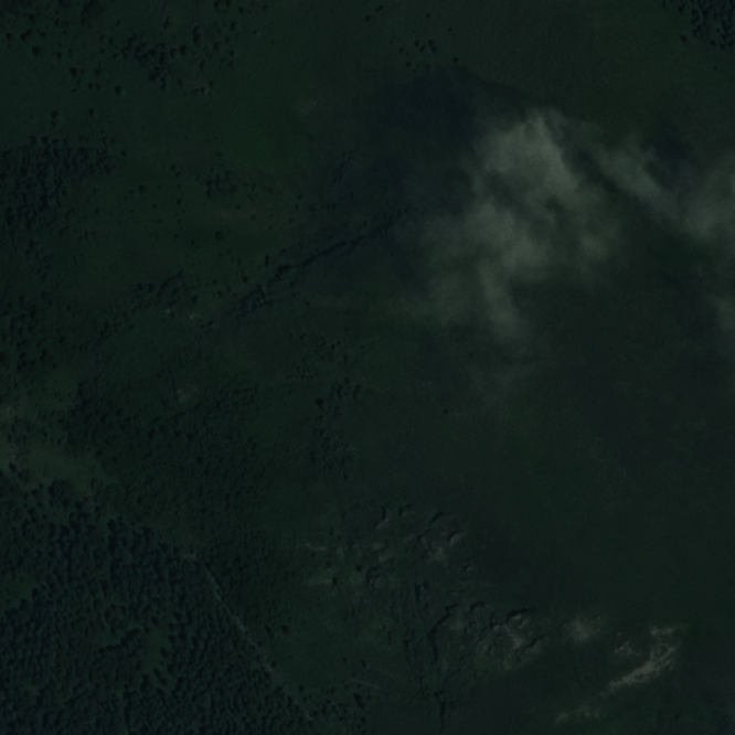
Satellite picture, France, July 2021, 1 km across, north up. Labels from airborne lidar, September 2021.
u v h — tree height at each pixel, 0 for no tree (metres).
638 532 0
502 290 0
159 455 10
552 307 0
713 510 0
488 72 0
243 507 6
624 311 0
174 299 7
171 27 8
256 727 15
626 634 0
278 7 0
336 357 6
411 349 0
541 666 0
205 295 0
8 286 7
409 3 0
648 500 0
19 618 28
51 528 14
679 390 0
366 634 0
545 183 0
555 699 0
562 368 0
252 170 0
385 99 0
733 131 0
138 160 0
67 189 17
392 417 0
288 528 0
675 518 0
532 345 0
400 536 0
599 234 0
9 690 21
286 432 0
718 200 0
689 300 0
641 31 0
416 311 0
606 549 0
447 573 0
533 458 0
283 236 0
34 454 0
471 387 0
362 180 0
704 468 0
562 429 0
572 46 0
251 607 8
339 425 0
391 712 0
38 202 10
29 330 10
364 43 0
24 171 11
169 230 0
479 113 0
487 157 0
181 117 0
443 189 0
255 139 0
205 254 0
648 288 0
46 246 8
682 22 0
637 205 0
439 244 0
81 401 6
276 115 0
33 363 18
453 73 0
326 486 0
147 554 22
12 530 9
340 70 0
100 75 12
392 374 0
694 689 0
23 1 20
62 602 16
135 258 0
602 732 0
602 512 0
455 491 0
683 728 0
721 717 0
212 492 9
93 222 0
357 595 0
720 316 0
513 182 0
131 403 9
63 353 6
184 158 0
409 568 0
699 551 0
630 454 0
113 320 8
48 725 18
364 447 0
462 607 0
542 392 0
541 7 0
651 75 0
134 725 25
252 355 0
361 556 0
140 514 6
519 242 0
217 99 0
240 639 24
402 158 0
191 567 25
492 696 0
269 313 0
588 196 0
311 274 0
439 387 0
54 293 8
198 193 0
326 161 0
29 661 14
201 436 9
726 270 0
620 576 0
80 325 7
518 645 0
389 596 0
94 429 10
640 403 0
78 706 27
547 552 0
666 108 0
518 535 0
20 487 16
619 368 0
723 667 0
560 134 0
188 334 0
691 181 0
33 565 24
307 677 0
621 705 0
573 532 0
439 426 0
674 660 0
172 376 10
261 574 12
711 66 0
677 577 0
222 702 9
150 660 0
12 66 0
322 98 0
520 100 0
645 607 0
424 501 0
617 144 0
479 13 0
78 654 26
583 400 0
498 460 0
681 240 0
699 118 0
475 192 0
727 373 0
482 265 0
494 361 0
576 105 0
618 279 0
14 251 8
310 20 0
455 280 0
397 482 0
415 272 0
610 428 0
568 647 0
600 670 0
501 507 0
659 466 0
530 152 0
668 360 0
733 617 0
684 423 0
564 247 0
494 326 0
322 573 0
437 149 0
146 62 23
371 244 0
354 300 0
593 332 0
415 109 0
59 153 31
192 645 17
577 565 0
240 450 7
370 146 0
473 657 0
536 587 0
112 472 9
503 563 0
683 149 0
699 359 0
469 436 0
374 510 0
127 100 0
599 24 0
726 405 0
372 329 0
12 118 0
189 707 18
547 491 0
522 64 0
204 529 8
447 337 0
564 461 0
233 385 8
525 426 0
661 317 0
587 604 0
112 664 23
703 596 0
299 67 0
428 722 0
